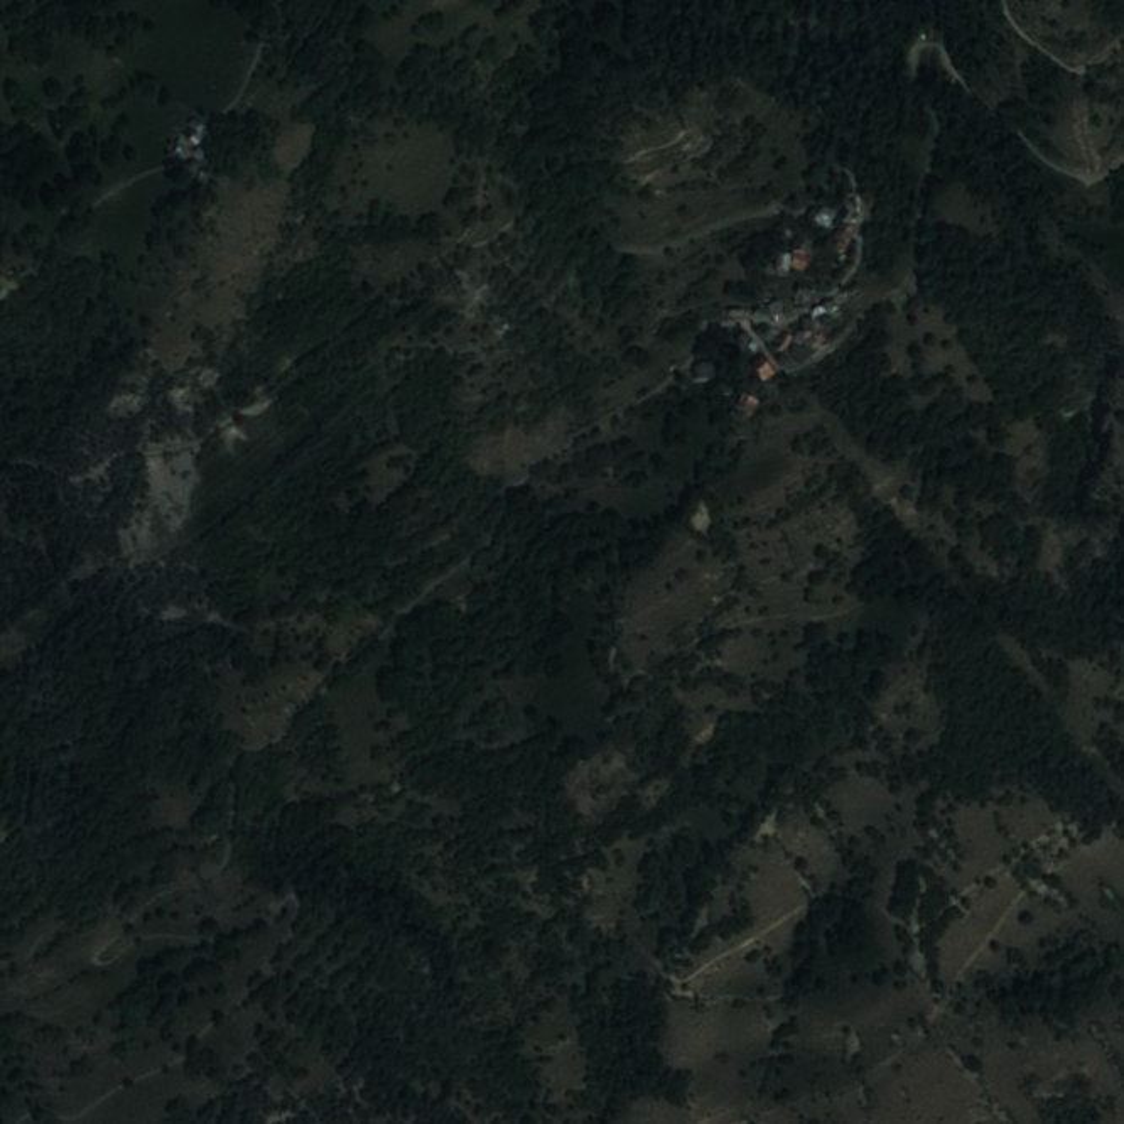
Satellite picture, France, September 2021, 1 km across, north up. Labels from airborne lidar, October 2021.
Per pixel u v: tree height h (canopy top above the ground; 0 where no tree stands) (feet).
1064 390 47
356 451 26
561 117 65
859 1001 0
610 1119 48
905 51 38
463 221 20
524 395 23
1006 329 39
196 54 0
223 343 19
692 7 72
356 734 0
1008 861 32
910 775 40
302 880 47
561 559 63
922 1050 0
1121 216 36
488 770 54
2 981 31
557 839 38
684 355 0
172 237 36
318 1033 31
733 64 75
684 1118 0
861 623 0
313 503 75
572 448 27
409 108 45
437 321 50
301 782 18
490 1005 36
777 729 66
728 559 31
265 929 44
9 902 46
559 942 44
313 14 39
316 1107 31
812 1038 0
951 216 0
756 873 25
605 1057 53
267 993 44
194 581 44
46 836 56
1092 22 18
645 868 44
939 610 56
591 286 60
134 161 53
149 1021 24
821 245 25
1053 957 29
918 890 25
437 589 20
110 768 33
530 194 45
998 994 30
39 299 64
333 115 33
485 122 39
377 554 48
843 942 43
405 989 55
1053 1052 0
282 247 28
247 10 67
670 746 46
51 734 50
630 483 39
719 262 30
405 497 36
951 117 123
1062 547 22
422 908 56
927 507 33
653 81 52
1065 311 94
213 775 35
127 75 0
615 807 24
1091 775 51
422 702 27
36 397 59
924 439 61
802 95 49
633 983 28
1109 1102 22
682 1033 0
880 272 37
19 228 0
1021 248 117
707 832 0
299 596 41
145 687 64
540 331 35
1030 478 38
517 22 0
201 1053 41
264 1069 22
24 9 56
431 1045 50
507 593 41
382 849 57
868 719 28
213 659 23
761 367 0
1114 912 21
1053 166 0
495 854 44
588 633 0
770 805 40
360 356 40
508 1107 41
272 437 77
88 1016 0
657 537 43
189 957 30
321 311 47
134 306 0
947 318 26
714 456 33
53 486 42
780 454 0
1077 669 0
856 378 31
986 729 46
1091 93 41
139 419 29
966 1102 0
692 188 22
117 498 54
